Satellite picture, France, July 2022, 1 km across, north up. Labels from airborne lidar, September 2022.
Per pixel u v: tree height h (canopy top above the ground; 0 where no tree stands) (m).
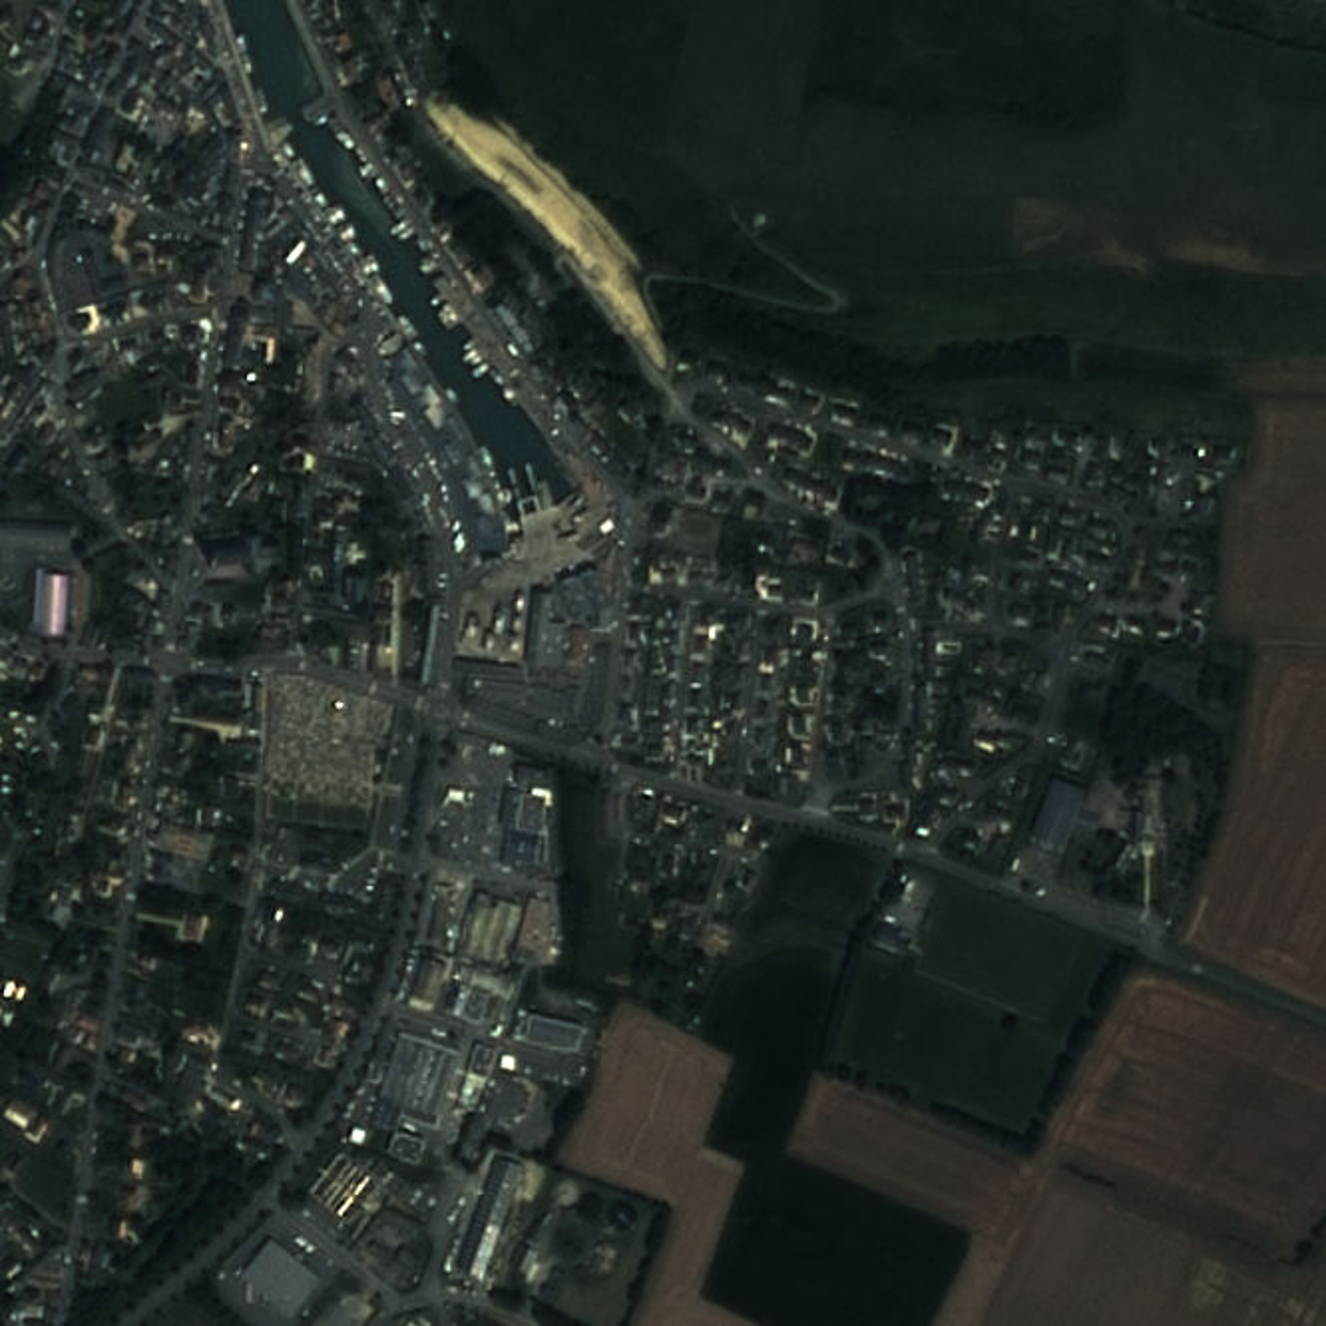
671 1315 0
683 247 0
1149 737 13
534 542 0
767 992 0
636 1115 0
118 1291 8
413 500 0
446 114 0
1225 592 0
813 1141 0
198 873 0
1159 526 0
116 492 0
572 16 0
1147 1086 0
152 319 0
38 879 13
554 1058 0
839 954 0
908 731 8
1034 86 0
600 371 7
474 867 0
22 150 9
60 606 0
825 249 0
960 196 0
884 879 0
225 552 0
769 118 0
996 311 0
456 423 0
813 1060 0
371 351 0
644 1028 0
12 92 0
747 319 10
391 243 0
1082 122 0
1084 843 0
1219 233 0
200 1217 13
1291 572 0
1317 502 0
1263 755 0
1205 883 0
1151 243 0
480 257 15
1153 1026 0
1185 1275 0
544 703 0
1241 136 0
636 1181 0
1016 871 0
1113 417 0
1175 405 0
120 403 0
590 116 0
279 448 8
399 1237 0
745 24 0
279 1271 0
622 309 0
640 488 7
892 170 0
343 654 0
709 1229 0
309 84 0
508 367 0
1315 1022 0
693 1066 0
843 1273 0
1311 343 0
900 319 0
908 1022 0
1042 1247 0
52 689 15
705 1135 0
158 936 11
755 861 0
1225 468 0
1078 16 0
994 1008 0
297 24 0
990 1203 0
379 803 0
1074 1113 0
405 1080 0
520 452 0
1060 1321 0
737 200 0
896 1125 0
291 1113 5
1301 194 0
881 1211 0
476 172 0
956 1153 0
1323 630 0
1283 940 0
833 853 0
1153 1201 0
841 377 9
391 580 0
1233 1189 0
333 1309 0
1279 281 0
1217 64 0
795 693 0
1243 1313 0
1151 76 0
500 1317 0
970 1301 0
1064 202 0
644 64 0
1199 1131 0
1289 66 0
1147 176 0
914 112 0
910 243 0
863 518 14
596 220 0
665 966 13
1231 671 9
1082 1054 0
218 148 0
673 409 0
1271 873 0
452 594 0
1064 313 0
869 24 0
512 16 0
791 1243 0
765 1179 0
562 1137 11
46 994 10
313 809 0
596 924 0
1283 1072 0
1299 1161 0
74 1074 6
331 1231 0
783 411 0
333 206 0
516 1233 0
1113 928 0
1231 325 0
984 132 0
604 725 0
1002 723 0
